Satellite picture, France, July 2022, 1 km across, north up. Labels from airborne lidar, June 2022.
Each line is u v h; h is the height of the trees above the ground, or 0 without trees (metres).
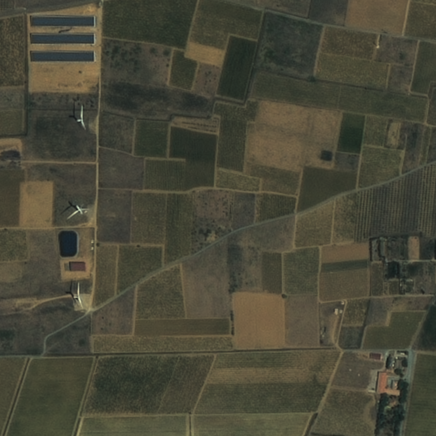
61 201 0
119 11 0
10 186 0
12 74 0
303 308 0
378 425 8
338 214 0
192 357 0
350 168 0
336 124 0
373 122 0
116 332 0
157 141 0
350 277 0
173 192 0
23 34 0
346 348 0
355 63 0
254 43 0
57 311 0
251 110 0
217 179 0
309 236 0
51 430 0
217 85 0
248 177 0
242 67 0
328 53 0
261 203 0
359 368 0
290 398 0
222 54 0
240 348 0
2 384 0
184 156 0
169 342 0
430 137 0
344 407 0
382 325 0
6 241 0
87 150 0
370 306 0
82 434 0
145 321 0
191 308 0
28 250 0
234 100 0
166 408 0
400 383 10
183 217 0
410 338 0
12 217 0
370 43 0
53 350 0
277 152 0
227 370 0
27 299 0
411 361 0
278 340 0
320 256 0
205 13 0
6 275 0
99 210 0
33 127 0
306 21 0
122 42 0
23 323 0
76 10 0
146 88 0
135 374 0
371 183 0
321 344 0
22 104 0
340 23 0
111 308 0
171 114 0
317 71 0
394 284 0
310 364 0
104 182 0
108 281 0
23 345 0
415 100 0
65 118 0
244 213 0
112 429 0
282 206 0
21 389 0
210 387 0
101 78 0
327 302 0
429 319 0
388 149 0
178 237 0
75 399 0
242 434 0
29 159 0
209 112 0
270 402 0
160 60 0
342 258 0
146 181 0
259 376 0
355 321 0
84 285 0
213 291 0
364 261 0
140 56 0
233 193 0
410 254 0
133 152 0
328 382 0
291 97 0
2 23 0
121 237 0
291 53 0
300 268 0
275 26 0
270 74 0
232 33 0
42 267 0
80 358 0
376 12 0
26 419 0
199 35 0
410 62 0
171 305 0
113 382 0
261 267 0
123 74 0
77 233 0
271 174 0
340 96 0
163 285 0
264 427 0
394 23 0
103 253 0
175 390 0
